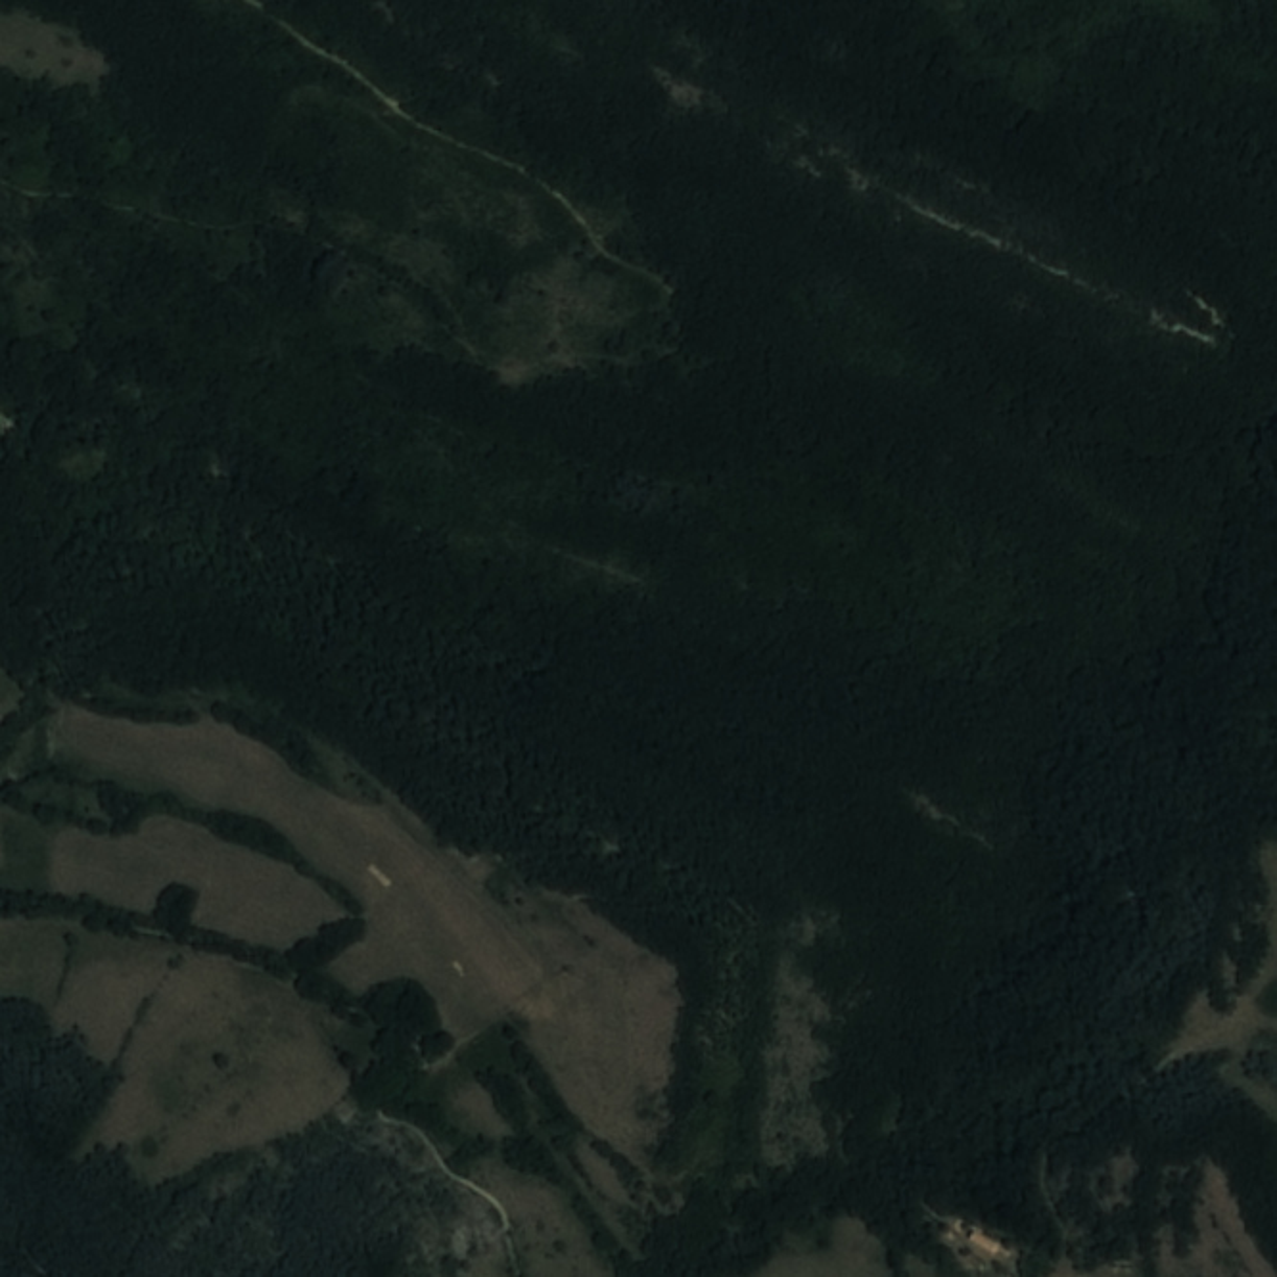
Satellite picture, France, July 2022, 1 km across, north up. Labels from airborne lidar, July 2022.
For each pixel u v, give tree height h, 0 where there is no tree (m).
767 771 18
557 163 11
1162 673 25
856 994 12
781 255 16
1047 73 7
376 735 15
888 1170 23
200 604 17
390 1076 11
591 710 19
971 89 13
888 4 17
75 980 0
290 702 10
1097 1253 11
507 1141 9
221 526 13
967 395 14
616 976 0
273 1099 0
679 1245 10
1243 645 15
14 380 24
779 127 7
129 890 0
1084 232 12
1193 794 15
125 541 17
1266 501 16
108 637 16
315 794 0
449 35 12
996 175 12
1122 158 15
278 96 14
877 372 12
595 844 17
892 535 8
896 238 10
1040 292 10
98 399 18
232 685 13
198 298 9
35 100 11
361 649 17
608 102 6
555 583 6
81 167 14
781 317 13
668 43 5
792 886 12
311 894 0
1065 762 19
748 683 19
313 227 9
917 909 14
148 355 13
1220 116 16
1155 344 10
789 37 18
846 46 10
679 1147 16
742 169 8
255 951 8
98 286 8
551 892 8
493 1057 0
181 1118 0
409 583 23
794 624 14
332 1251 10
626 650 18
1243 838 15
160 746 0
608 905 12
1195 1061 10
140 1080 0
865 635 17
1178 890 10
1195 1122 14
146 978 0
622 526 7
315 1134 7
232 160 16
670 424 11
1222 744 17
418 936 0
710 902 15
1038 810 15
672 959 8
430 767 14
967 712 16
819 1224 15
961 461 13
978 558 11
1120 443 12
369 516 26
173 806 7
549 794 18
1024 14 9
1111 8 8
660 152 11
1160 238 19
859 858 17
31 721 8
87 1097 8
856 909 14
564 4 10
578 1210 8
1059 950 20
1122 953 9
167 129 16
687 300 14
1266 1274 0
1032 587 13
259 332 11
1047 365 20
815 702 20
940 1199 13
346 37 7
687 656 19
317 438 6
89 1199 17
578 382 8
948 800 11
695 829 13
